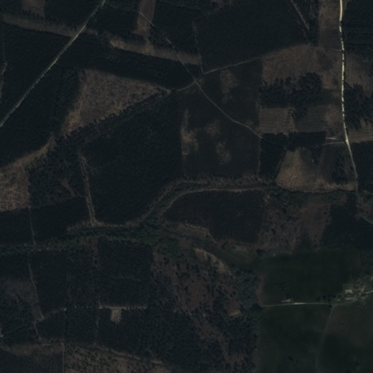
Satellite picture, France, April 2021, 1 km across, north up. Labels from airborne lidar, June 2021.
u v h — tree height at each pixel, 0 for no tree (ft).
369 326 0
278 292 0
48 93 34
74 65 31
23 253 37
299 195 33
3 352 30
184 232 0
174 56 0
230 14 34
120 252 52
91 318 60
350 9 34
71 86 61
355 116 49
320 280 0
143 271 35
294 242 29
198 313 56
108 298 33
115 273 32
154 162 30
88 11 35
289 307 0
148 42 33
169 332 59
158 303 34
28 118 36
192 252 25
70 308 63
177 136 29
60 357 25
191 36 27
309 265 0
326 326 0
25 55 32
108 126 61
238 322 64
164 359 41
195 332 58
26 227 39
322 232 0
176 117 23
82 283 22
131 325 43
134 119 24
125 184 29
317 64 0
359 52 50
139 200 31
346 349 0
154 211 18
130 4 68
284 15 31
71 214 38
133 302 39
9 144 36
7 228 40
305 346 0
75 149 71
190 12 31
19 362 29
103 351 32
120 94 0
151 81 30
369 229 21
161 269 24
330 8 0
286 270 0
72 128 0
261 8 40
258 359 0
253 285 55
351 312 0
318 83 56
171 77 32
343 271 0
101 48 31
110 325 42
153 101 60
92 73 0
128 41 69
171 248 26
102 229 26
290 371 0
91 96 0
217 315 63
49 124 31
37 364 20
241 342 66
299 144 29
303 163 0
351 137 0
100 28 31
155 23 32
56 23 56
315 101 56
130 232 34
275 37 38
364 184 40
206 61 32
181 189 32
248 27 35
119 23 33
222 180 57
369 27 55
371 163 36
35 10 0
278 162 35
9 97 32
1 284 32
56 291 33
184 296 20
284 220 35
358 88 45
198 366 68
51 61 35
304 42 38
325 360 0
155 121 25
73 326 64
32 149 35
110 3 30
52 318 37
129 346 35
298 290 0
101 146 41
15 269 27
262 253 60
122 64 30
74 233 25
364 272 0
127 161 33
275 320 0
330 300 32
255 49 36
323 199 0
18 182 0
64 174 67
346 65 44
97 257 23
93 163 33
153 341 36
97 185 29
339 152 0
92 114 0
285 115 0
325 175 0
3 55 24
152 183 31
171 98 28
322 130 0
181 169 30
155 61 35
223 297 69
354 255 0
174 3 62
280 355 0
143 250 45
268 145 36
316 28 62
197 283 0
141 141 30
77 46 31
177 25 25
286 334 0
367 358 0
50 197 55
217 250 0
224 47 33
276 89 59
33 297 33
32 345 54
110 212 37
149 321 63
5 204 0
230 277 25
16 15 60
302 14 19
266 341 0
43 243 25
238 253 0
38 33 31
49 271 32
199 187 39
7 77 35
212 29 36
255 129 0
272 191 20
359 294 0
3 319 59
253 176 36
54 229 37
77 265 25
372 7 35
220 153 0
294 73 0
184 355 71
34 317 50
